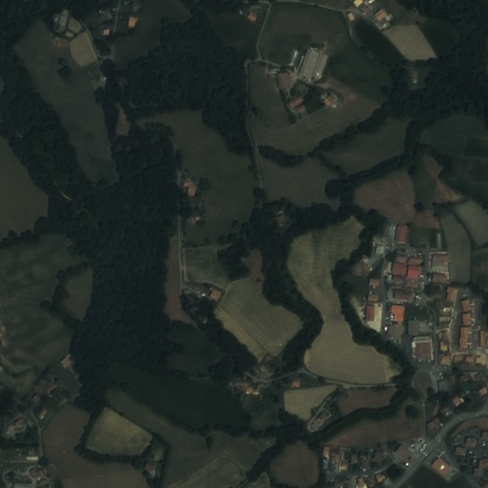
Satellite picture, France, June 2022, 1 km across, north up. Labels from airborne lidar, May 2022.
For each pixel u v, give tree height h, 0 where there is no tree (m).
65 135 16
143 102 20
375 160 0
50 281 0
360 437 0
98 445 0
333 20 0
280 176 0
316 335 15
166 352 19
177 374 10
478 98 13
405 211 0
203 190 10
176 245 0
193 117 0
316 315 23
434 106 18
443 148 0
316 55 0
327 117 0
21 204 0
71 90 0
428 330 0
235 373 20
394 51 0
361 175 14
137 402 0
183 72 33
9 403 23
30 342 0
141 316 18
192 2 17
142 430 0
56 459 0
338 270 13
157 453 0
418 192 0
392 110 24
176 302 0
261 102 0
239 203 0
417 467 0
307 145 0
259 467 15
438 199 0
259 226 25
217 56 24
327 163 7
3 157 0
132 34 7
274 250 23
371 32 0
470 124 0
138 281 19
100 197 24
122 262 16
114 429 0
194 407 0
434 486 0
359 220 14
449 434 0
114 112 14
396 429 0
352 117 0
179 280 0
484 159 0
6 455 0
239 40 0
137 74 21
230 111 29
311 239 0
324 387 0
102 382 23
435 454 0
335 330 0
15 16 18
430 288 13
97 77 0
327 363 0
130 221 12
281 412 11
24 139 11
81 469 0
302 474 0
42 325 0
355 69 0
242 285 0
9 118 7
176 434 0
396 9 0
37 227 9
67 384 0
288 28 0
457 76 16
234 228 14
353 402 0
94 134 0
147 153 17
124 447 0
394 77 18
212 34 23
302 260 0
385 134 0
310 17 0
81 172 21
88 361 25
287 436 19
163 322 22
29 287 0
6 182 0
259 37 0
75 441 0
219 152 0
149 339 18
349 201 27
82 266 8
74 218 8
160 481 11
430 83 8
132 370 14
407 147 17
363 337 20
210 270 0
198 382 0
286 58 0
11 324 0
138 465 22
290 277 8
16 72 22
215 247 0
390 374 0
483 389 0
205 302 17
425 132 0
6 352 0
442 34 0
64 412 0
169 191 22
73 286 0
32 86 21
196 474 0
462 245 0
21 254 0
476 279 0
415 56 0
